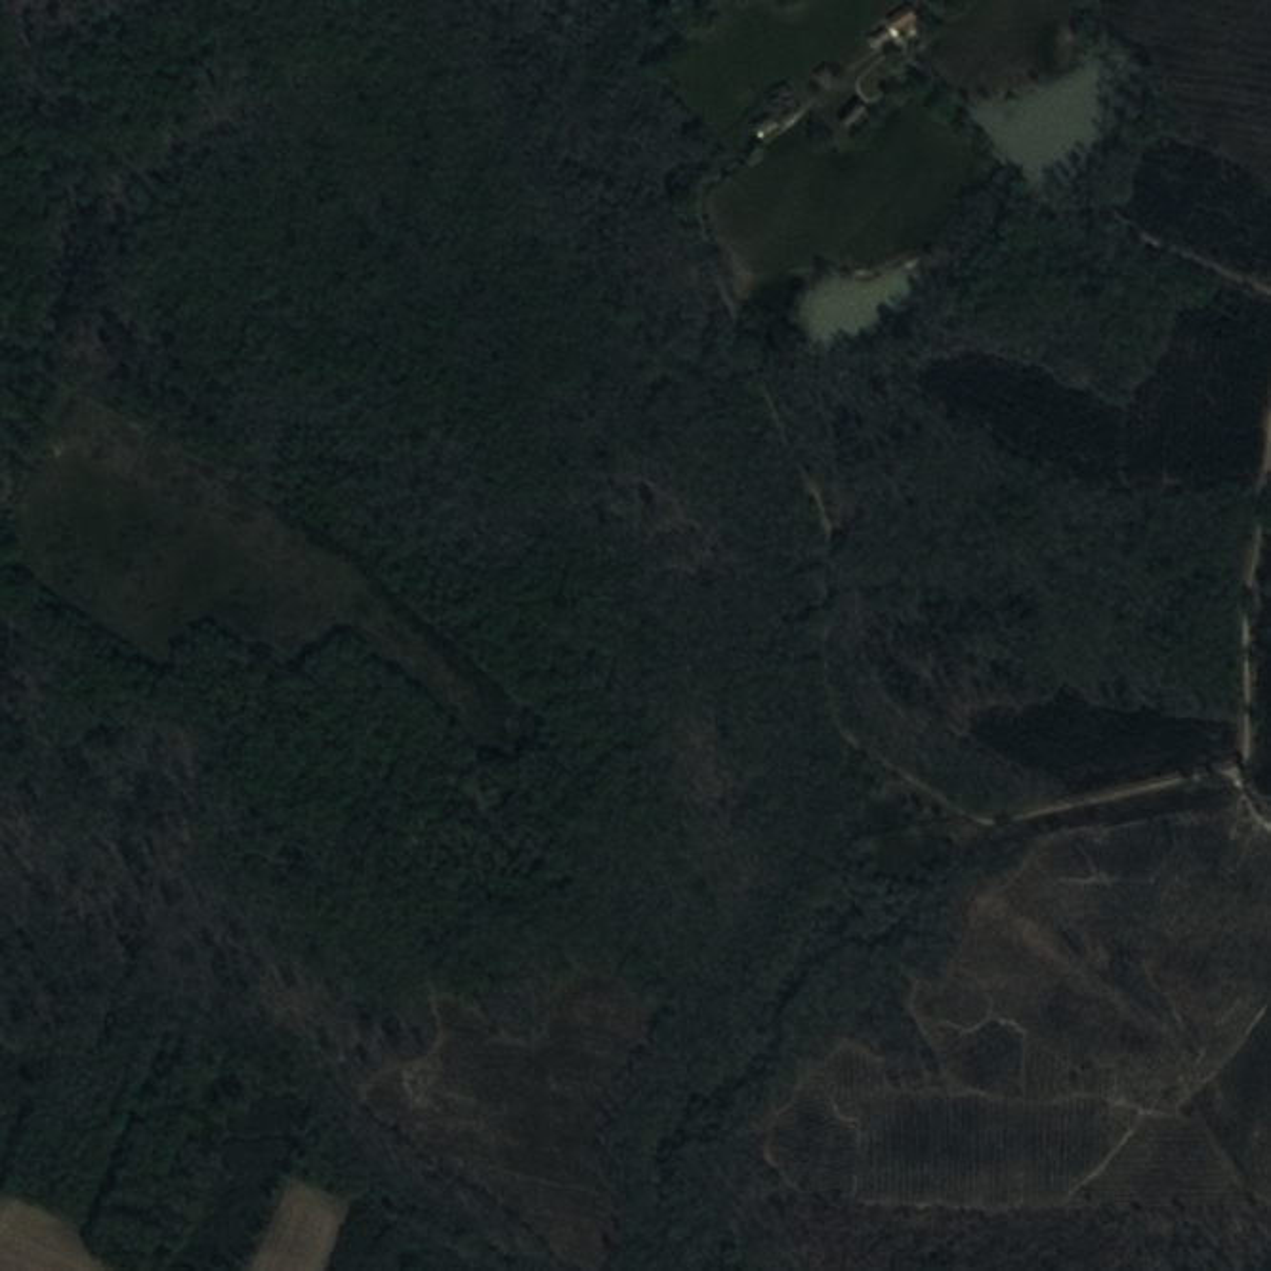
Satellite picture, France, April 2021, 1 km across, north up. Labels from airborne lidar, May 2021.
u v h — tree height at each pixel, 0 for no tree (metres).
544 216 23
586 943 20
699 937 18
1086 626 15
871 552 20
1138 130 15
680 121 12
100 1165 14
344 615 0
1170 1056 0
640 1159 21
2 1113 23
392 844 19
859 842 22
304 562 0
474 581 17
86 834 17
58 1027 12
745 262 0
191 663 17
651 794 20
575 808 18
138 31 13
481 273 17
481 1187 7
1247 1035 0
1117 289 18
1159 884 0
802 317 17
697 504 14
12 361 22
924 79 16
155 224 17
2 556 21
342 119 18
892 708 8
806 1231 7
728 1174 17
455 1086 0
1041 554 19
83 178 20
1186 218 5
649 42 6
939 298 10
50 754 14
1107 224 18
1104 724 7
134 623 0
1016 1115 0
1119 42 20
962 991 0
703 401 18
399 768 22
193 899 14
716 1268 18
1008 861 15
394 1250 13
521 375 16
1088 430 7
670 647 19
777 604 21
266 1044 17
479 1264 21
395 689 20
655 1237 18
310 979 14
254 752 20
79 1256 0
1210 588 16
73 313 20
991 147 16
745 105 0
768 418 14
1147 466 8
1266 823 0
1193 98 0
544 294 18
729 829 16
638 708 19
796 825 18
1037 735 8
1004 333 12
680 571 10
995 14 0
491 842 25
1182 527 17
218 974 13
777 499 21
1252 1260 16
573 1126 0
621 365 19
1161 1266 15
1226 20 0
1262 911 0
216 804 18
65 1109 20
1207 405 7
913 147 0
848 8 0
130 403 12
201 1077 25
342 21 19
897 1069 16
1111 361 13
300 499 9
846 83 17
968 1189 0
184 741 17
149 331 11
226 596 0
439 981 18
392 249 16
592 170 7
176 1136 23
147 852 13
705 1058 22
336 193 16
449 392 19
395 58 18
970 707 11
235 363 17
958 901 17
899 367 8
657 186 11
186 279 18
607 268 22
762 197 0
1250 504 15
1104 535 16
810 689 20
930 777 18
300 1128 23
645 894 19
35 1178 23
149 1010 19
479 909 21
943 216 0
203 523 0
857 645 12
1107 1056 0
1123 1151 0
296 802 19
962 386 7
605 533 16
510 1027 15
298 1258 0
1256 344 6
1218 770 11
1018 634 11
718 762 15
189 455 8
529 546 18
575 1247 0
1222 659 19
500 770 16
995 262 16
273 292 16
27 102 12
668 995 18
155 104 17
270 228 18
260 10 19
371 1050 14
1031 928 0
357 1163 21
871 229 0
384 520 19
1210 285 12
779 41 0
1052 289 16
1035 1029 0
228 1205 5
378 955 19
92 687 16
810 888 22
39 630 19
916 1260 6
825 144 18
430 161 19
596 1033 0
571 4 10
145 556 0
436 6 18
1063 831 17
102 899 15
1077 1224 9
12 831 13
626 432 15
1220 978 0
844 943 17
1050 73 0
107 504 0
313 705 19
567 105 17
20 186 17
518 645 20
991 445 14
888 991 19
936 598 15
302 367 16
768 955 18
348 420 18
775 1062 18
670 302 16
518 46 12
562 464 17
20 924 23
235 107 13
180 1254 11
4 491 15
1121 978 20
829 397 12
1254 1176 0
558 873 16
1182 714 8
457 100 19
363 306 16
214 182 21
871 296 0
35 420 21
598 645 19
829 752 21
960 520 16
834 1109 0
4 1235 0
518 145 24
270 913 15
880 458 20
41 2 11
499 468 21
